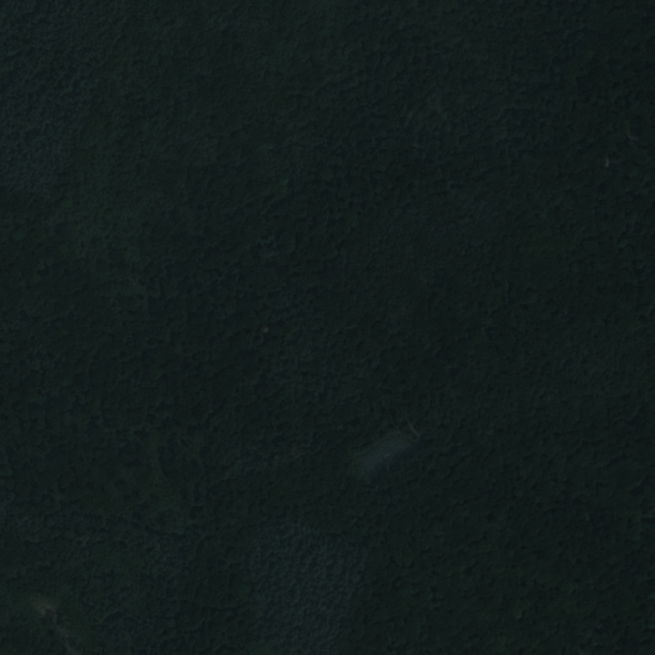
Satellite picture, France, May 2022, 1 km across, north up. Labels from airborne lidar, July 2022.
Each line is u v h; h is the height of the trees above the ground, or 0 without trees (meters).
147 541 30
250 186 32
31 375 27
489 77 22
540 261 25
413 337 25
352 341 24
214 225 22
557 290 26
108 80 24
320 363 18
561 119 31
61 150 24
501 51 28
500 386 27
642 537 23
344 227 27
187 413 30
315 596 32
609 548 28
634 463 31
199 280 20
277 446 27
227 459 21
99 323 26
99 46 26
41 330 22
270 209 18
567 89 29
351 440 25
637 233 30
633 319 25
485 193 24
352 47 17
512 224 27
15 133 25
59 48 27
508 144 15
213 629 26
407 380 21
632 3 27
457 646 27
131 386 22
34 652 28
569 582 27
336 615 32
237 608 24
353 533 28
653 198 26
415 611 30
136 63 22
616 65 29
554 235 29
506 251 31
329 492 22
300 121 22
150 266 24
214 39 28
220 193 24
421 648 24
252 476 25
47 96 29
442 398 26
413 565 28
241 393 24
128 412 25
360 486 18
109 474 29
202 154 23
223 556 17
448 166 27
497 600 28
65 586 25
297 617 31
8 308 21
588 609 32
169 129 25
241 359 26
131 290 25
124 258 22
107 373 27
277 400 22
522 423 28
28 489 26
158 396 23
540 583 27
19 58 29
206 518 17
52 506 31
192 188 25
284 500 30
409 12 26
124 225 24
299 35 25
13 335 23
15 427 20
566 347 24
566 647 26
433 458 25
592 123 29
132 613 27
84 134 24
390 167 25
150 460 23
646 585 29
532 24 28
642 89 27
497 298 28
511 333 29
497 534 30
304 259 21
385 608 30
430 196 24
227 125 25
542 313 30
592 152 32
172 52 23
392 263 23
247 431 28
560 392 20
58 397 25
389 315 25
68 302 26
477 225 23
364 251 22
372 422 20
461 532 29
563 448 30
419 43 30
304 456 19
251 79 23
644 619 21
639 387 22
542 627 23
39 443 22
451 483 24
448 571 32
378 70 25
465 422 26
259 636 29
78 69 26
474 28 27
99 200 19
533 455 28
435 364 30
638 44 28
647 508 31
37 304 25
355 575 29
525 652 29
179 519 22
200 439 24
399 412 26
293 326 19
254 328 20
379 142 30
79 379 26
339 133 21
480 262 22
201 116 26
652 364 26
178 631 25
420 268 25
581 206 28
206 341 23
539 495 29
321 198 24
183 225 23
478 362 29
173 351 31
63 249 29
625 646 30
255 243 14
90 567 25
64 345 25
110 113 22
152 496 9
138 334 25
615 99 32
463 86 26
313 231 27
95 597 26
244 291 6
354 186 28
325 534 9
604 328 25
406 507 29
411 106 25
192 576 28
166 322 13
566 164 28
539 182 33
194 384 27
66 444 28
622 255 29
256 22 23
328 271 29
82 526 23
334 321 22
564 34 25
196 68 24
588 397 15
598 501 27
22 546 26
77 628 8
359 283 28
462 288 26
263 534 20
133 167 19
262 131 29
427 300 19
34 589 26
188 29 20
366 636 29
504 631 25
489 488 27
